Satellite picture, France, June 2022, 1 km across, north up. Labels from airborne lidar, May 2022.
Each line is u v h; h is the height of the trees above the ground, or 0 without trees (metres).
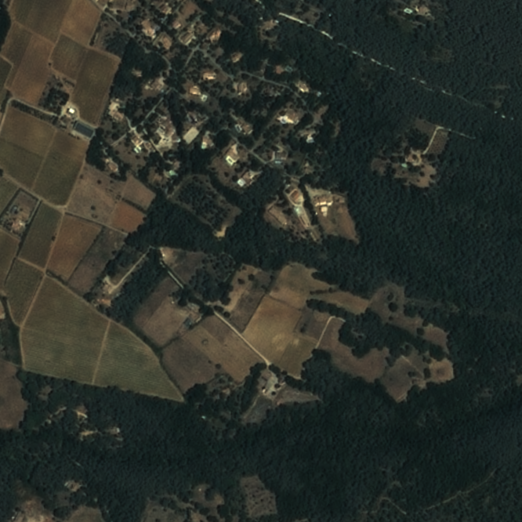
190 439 11
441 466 14
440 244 17
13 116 0
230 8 8
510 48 20
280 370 10
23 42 0
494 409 16
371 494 9
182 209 14
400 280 17
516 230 13
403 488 8
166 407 11
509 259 20
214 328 0
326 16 20
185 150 8
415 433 14
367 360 0
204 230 18
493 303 19
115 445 19
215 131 8
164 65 17
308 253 18
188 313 0
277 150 10
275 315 0
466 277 15
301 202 0
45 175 0
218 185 13
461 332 16
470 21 18
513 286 17
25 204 0
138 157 8
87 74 0
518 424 21
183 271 0
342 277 16
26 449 19
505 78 14
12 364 0
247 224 17
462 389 16
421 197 21
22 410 0
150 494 19
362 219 17
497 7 16
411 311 16
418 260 14
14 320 0
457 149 19
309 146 12
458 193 13
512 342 16
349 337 18
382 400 15
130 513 11
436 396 15
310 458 12
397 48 18
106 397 21
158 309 0
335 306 12
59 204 0
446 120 19
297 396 0
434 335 0
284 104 12
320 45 8
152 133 10
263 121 10
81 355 0
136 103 11
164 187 9
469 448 18
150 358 0
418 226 20
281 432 16
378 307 0
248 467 19
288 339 0
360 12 23
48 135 0
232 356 0
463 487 13
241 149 8
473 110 22
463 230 14
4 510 22
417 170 9
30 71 0
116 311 19
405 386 0
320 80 10
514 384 11
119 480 20
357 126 14
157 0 12
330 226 0
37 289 0
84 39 0
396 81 18
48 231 0
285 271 0
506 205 15
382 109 18
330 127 15
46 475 18
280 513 9
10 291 0
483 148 16
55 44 0
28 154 0
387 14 8
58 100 8
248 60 8
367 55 19
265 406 0
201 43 6
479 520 14
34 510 0
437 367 0
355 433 12
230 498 16
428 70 20
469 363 15
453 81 21
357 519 15
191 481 20
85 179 0
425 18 17
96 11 0
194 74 7
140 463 19
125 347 0
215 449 14
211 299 23
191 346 0
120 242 0
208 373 0
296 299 0
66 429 20
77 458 15
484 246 18
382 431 15
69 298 0
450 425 14
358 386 17
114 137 12
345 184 16
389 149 9
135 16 11
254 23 22
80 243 0
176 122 8
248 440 19
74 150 0
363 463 17
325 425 16
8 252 0
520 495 15
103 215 0
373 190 18
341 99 17
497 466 15
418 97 18
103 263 0
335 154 21
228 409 10
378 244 20
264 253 17
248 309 0
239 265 13
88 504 8
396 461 17
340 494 15
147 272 13
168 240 16
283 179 20
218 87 9
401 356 16
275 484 15
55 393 14
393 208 18
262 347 0
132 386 0
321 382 19
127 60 19
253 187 18
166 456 17
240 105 7
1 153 0
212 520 13
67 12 0
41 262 0
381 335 16
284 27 20
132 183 0
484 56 21
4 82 0
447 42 21
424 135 7
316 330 0
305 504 10
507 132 18
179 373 0
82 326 0
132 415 21
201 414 12
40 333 0
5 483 19
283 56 12
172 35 16
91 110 0
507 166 18
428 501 14
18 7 0
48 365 0
